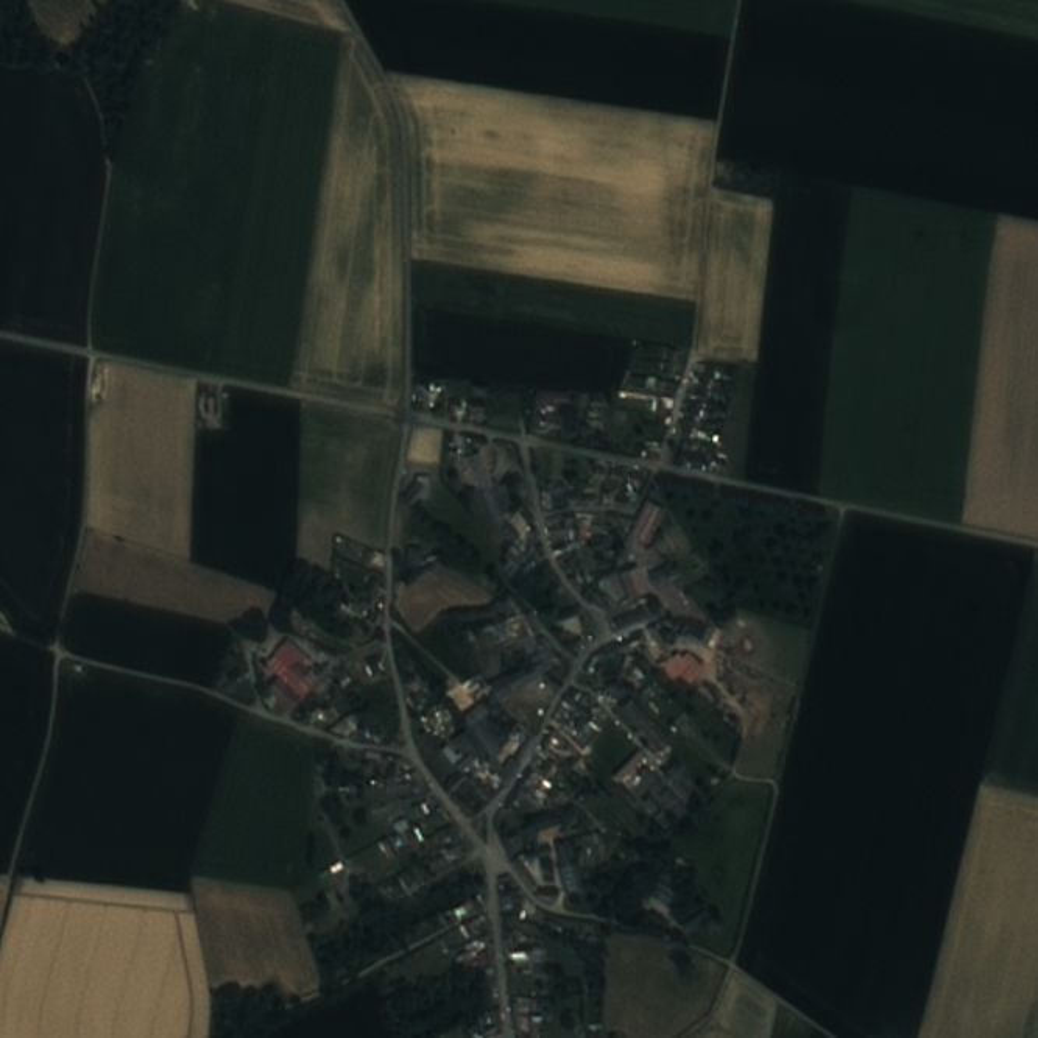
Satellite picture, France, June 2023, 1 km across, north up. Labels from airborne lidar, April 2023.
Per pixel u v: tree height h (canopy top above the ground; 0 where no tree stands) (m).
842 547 0
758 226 0
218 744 0
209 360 0
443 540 14
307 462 0
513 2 0
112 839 0
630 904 16
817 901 0
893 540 0
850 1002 0
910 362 0
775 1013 0
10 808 0
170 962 0
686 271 0
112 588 0
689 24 0
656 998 0
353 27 0
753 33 0
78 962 0
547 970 8
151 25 14
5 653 0
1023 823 0
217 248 0
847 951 0
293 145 0
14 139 0
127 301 0
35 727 0
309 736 0
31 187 0
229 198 0
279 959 0
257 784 0
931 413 0
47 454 0
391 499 0
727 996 0
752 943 0
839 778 0
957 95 0
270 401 0
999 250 0
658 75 0
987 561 0
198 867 0
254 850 0
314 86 0
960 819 0
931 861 0
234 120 0
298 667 0
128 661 0
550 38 0
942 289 0
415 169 0
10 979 0
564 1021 9
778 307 0
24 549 0
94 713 0
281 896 0
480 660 0
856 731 0
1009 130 0
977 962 0
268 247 0
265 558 0
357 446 0
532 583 19
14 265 0
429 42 0
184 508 0
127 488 0
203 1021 0
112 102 7
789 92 0
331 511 0
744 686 0
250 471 0
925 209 0
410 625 0
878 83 0
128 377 0
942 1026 0
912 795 0
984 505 0
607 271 0
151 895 0
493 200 0
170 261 0
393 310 0
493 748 0
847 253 0
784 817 0
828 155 0
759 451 0
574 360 0
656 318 0
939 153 0
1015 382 0
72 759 0
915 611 0
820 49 0
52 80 0
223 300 0
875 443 0
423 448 0
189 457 0
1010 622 0
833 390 0
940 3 0
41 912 0
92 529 0
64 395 0
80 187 0
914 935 0
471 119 0
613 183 0
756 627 0
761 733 0
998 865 0
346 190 0
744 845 0
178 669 0
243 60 0
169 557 0
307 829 0
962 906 0
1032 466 0
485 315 0
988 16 0
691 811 10
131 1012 0
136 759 0
